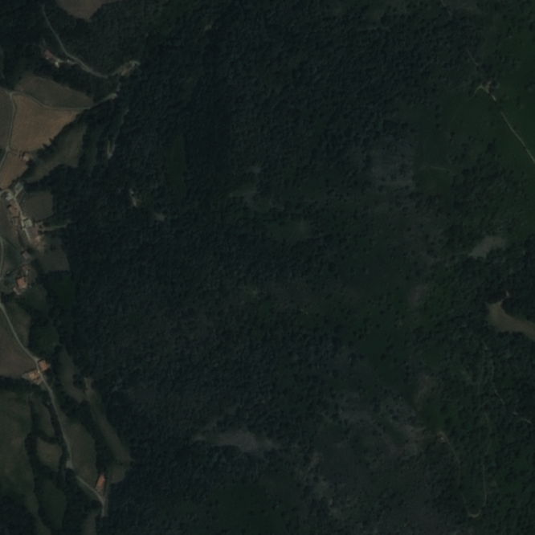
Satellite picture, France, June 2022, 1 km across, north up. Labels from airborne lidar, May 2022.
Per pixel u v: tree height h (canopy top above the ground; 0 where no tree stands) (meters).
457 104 0
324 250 15
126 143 10
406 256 6
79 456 0
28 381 11
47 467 8
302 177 8
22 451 0
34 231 0
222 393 10
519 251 12
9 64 22
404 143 9
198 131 23
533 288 22
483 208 10
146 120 14
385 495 8
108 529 8
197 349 11
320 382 13
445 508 13
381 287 0
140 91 18
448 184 0
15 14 22
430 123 0
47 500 0
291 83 11
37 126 0
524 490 10
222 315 12
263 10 10
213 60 21
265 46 14
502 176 8
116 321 5
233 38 12
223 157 18
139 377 18
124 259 14
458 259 12
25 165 0
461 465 9
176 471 14
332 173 0
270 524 0
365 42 15
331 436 0
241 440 0
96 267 18
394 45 14
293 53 24
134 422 15
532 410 18
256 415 8
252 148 7
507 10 7
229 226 7
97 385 19
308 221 9
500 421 9
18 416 0
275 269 14
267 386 12
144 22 15
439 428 0
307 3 17
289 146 11
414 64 13
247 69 13
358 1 0
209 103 24
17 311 0
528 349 19
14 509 19
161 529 6
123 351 10
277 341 14
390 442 0
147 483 16
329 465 0
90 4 0
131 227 19
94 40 7
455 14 8
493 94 11
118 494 20
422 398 0
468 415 10
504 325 0
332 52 16
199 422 14
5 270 0
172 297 6
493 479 9
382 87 13
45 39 9
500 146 0
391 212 7
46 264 0
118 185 15
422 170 0
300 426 12
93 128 17
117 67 7
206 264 12
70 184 16
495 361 12
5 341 0
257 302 8
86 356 13
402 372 0
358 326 0
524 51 0
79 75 12
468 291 14
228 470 13
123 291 10
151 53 24
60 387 11
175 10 20
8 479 0
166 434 13
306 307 8
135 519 13
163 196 21
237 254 9
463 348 15
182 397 10
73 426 0
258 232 11
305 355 11
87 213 17
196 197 20
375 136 7
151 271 8
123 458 0
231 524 0
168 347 11
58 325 13
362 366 0
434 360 0
